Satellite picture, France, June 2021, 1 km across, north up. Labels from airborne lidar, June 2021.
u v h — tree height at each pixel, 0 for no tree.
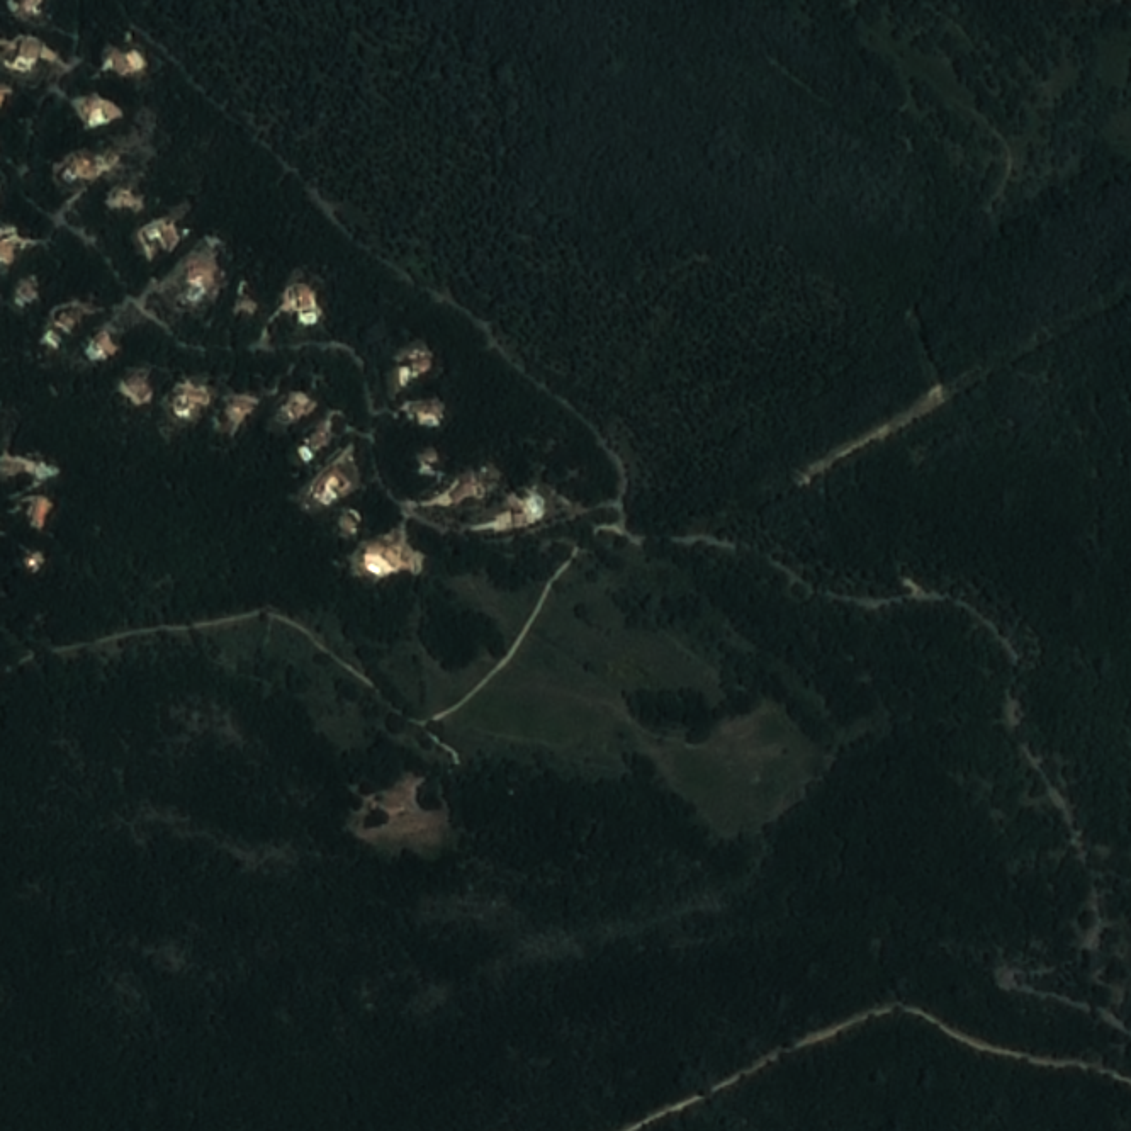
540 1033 11
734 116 10
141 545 12
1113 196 18
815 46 10
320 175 8
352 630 14
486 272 12
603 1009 11
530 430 13
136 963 11
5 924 15
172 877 10
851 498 16
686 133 12
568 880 10
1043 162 12
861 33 10
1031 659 12
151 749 7
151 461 10
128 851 8
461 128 10
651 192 15
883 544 15
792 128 10
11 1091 11
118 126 8
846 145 12
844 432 14
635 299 10
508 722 0
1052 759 10
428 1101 10
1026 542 15
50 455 9
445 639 12
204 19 12
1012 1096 8
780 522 11
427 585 12
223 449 12
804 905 14
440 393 14
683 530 14
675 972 10
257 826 11
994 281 13
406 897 10
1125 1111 10
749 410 11
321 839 10
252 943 9
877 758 12
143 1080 11
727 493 13
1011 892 12
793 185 11
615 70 17
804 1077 8
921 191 9
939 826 12
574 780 7
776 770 0
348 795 10
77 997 9
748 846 11
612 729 0
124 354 11
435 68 14
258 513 11
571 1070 9
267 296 10
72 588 10
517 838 9
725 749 0
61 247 10
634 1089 14
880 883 12
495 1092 9
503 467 9
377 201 9
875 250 11
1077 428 9
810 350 17
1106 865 10
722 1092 11
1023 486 15
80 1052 12
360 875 12
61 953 12
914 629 11
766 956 16
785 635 14
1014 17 12
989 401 9
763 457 15
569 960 7
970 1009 10
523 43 10
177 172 8
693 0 14
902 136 9
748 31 10
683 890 7
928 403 0
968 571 15
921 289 14
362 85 12
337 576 11
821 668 7
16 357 8
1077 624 14
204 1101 11
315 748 13
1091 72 10
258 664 7
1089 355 10
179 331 9
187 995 11
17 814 10
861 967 11
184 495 9
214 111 8
